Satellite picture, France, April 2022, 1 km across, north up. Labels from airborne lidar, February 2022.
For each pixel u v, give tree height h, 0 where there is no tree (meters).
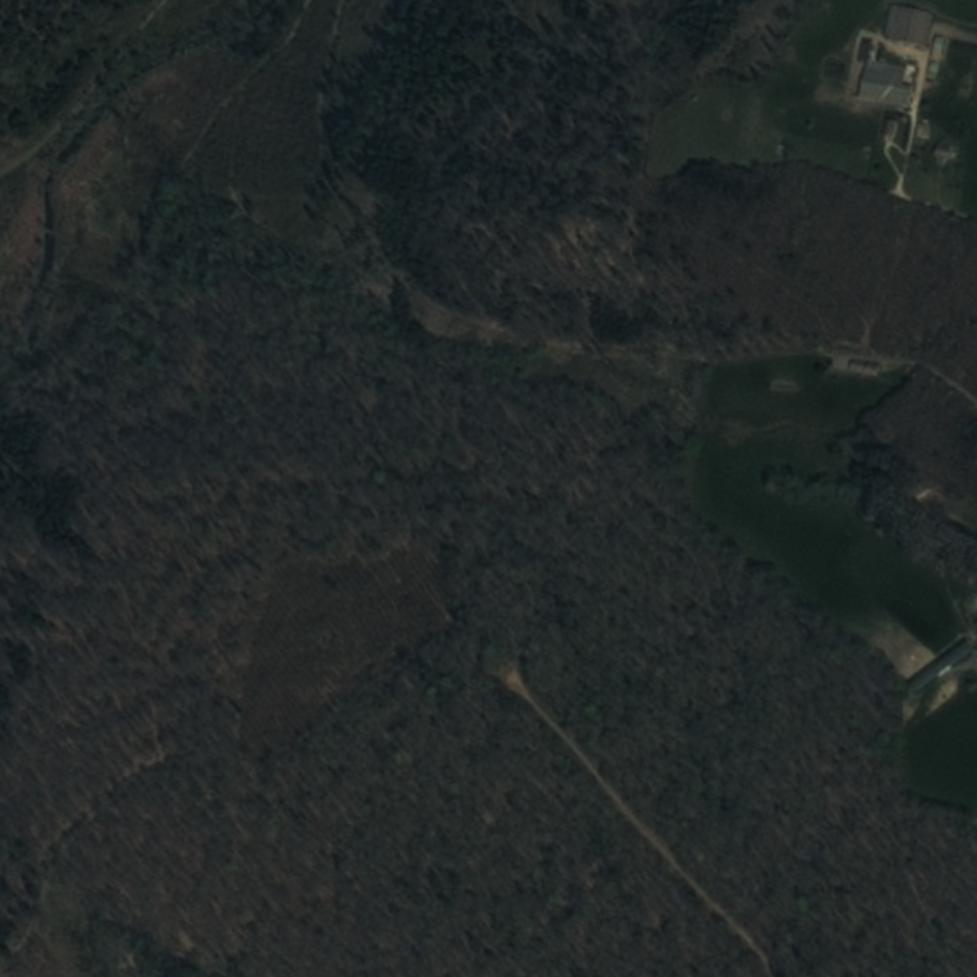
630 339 23
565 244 32
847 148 0
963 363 12
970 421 13
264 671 7
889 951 28
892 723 31
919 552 28
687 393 0
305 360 30
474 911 26
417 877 27
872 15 0
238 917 22
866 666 32
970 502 14
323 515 27
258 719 8
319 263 19
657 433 28
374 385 26
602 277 28
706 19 23
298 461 27
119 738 26
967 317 12
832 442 0
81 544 18
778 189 15
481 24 23
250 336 31
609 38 20
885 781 27
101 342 25
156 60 24
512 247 28
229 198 0
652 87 30
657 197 12
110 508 26
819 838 28
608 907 28
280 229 0
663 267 23
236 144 0
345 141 27
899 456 14
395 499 27
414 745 26
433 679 25
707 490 0
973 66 0
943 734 0
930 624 0
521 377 19
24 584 24
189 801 23
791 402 0
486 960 26
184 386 30
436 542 25
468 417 25
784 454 0
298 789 29
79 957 0
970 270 16
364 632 10
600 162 16
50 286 21
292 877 22
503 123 28
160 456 22
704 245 11
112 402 35
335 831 29
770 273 12
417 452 30
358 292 31
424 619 8
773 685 27
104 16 21
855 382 0
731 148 0
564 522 29
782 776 27
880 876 29
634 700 24
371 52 0
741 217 14
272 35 29
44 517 24
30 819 25
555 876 25
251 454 30
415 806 25
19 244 0
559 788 27
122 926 21
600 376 0
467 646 28
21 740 25
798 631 28
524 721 24
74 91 18
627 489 24
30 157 0
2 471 18
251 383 27
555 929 26
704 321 27
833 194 12
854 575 0
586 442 28
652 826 20
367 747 26
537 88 26
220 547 27
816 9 22
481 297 25
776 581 25
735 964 22
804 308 11
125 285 29
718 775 26
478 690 29
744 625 29
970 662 0
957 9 0
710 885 27
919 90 0
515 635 27
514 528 26
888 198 15
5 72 23
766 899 23
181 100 0
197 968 13
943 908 28
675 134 0
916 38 0
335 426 26
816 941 25
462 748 28
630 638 26
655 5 30
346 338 32
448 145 23
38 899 22
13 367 9
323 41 0
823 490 15
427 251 22
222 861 25
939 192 0
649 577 27
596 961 22
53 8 33
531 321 29
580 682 26
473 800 28
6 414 26
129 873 23
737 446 0
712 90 0
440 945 25
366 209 0
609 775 22
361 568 9
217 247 15
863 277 13
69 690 24
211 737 24
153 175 0
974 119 0
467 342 0
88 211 0
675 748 26
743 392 0
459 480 27
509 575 26
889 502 28
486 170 29
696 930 30
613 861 26
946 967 28
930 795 0
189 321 29
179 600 0
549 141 32
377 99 22
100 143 0
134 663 27
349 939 28
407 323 23
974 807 0
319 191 0
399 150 27
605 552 28
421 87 28
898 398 17
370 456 27
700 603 24
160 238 19
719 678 30
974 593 0
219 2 0
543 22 0
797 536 0
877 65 0
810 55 0
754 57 0
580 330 26
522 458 26
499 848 24
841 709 31
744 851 27
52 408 27
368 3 0
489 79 22
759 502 0
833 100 0
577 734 25
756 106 0
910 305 15
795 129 0
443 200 25
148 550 28
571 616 30
